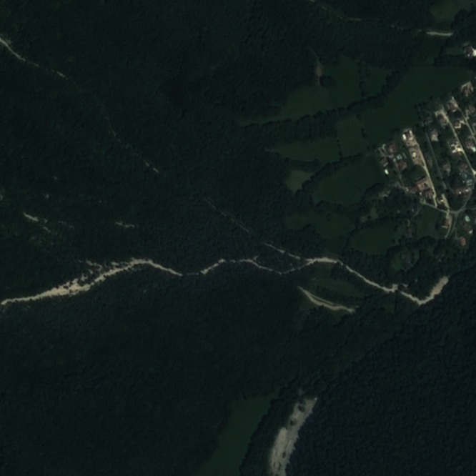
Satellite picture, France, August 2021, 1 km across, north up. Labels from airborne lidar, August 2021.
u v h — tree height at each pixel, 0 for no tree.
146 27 27
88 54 19
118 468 17
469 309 31
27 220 12
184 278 12
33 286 15
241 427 0
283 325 18
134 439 22
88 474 14
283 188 20
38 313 11
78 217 15
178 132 11
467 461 24
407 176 14
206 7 15
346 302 14
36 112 17
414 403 28
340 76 0
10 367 25
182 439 16
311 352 19
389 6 22
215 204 9
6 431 20
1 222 19
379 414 27
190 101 27
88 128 22
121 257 11
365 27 14
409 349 31
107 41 20
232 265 9
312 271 12
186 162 16
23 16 18
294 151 0
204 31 21
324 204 15
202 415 15
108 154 23
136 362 24
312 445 22
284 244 16
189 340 21
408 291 6
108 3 26
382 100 22
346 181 0
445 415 25
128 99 23
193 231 18
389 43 17
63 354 23
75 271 9
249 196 15
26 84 20
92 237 13
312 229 12
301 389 23
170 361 19
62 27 20
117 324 14
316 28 20
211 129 11
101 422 23
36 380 29
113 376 20
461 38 19
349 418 25
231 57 14
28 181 20
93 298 8
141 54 27
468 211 12
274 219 20
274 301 11
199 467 19
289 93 7
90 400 20
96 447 22
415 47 17
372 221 14
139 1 26
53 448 19
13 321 9
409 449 25
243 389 21
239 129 16
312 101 0
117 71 19
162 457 17
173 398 20
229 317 16
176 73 20
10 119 23
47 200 16
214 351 17
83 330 9
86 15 25
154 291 9
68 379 23
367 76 12
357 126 0
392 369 27
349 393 29
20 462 14
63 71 16
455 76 0
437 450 25
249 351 8
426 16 21
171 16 14
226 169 18
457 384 35
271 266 15
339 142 8
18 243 28
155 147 19
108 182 19
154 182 19
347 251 12
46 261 16
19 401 29
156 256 12
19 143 21
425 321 28
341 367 8
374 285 7
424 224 0
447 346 27
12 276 20
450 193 17
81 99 18
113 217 12
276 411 21
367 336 19
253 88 23
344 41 21
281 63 23
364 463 28
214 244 14
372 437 32
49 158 18
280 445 0
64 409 20
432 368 23
